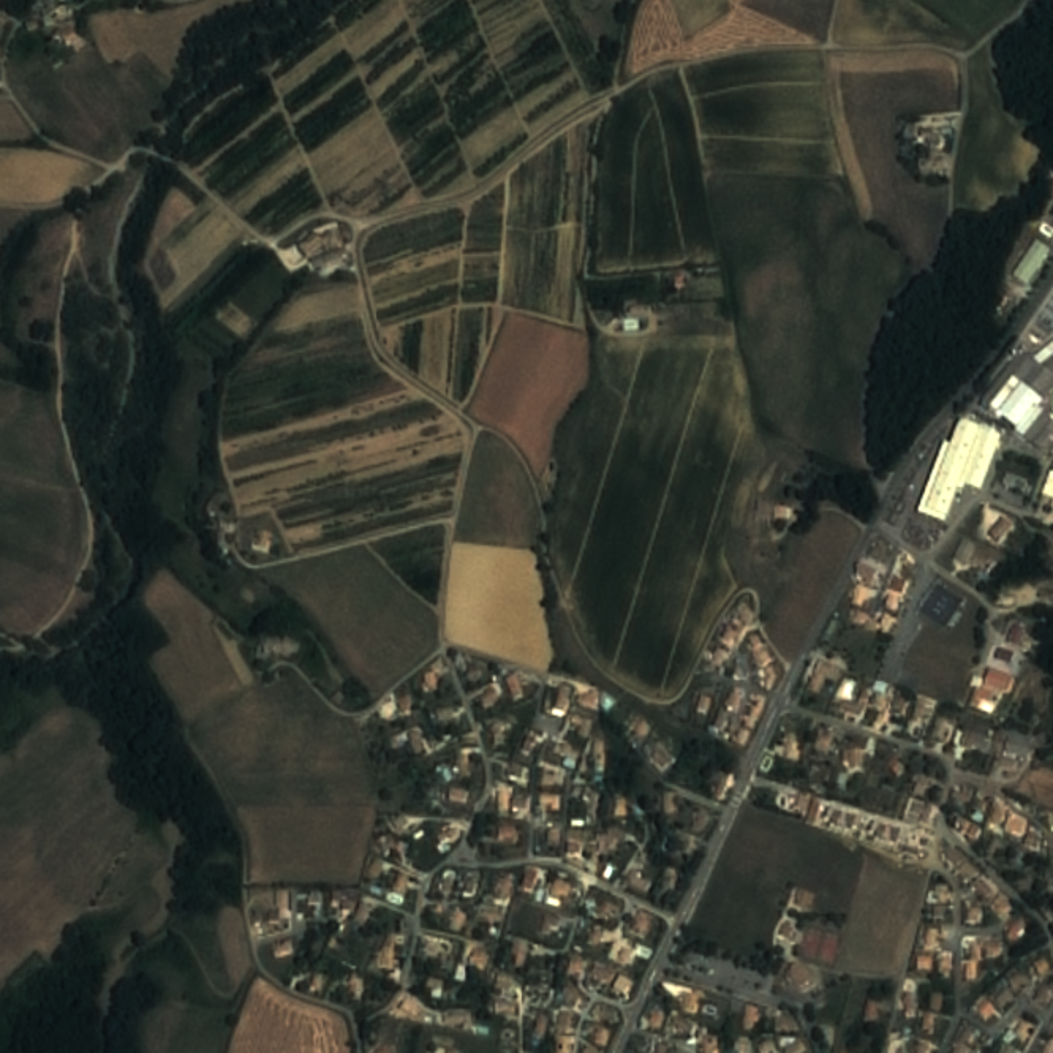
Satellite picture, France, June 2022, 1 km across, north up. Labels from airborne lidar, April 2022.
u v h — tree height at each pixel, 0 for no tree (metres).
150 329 10
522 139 6
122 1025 15
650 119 0
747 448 0
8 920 0
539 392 0
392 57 7
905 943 0
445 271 0
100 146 0
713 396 0
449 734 9
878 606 0
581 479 0
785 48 0
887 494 0
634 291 8
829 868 0
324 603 0
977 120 0
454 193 0
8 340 15
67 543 0
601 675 0
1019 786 0
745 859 0
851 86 0
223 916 0
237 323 0
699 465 0
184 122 8
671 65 0
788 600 0
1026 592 0
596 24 0
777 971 7
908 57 0
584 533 0
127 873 0
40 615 0
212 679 0
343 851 0
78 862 0
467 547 0
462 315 0
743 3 0
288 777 0
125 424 7
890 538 0
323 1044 0
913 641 0
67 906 0
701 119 0
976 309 14
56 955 8
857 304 0
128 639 17
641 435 0
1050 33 18
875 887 0
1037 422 0
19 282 0
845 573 0
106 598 11
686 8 0
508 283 0
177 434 0
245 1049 0
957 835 0
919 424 14
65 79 0
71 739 0
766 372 0
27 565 0
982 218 7
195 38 12
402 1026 0
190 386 0
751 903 0
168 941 6
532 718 0
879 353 17
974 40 0
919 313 17
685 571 0
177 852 12
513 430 0
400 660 0
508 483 0
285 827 0
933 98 0
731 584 0
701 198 0
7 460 0
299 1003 0
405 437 0
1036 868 10
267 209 6
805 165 0
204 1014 0
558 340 0
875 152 0
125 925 0
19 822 0
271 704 0
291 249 0
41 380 7
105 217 0
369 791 0
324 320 0
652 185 0
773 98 0
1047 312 0
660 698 0
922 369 17
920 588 0
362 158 0
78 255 0
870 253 0
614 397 0
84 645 10
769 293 0
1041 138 20
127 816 0
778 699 0
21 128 0
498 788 0
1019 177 0
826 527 0
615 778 8
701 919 0
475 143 0
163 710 13
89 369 6
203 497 10
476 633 0
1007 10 0
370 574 0
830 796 8
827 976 0
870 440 11
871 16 0
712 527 0
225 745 0
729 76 0
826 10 0
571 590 0
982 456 0
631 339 0
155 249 0
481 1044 0
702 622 0
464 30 6
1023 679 0
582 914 9
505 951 6
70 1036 10
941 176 6
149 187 11
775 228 0
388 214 0
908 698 7
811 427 0
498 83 5
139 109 0
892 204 0
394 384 0
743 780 0
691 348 0
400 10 0
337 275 9
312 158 0
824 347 0
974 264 18
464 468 0
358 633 0
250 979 0
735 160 0
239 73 12
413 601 0
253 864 0
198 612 0
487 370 0
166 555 9
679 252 0
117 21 0
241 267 12
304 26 15
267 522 0
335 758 0
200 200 6
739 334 0
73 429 7
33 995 10
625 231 0
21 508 0
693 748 10
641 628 0
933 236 0
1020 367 0
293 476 0
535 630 0
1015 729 8
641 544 0
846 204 0
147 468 15
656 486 0
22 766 0
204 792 9
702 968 8
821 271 0
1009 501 0
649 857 6
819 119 0
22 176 0
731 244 0
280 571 0
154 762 19
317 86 6
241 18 16
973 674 0
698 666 0
